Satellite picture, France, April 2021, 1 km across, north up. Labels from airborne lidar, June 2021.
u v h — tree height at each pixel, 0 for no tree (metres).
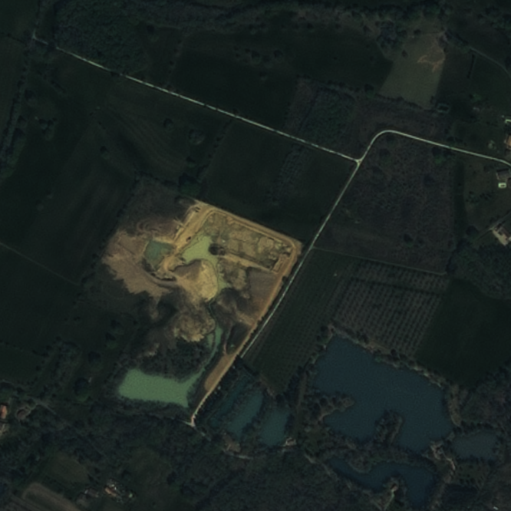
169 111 0
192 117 0
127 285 0
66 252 0
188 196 14
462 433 12
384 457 19
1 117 0
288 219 0
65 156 0
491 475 7
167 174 0
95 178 0
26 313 0
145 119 0
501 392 9
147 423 16
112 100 0
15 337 0
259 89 0
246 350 0
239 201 0
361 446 21
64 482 0
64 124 0
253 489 20
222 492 25
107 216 0
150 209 0
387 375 0
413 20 20
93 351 0
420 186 7
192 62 0
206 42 0
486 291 13
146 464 0
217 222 0
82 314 0
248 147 0
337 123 16
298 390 19
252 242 0
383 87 0
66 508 0
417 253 8
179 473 19
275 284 0
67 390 0
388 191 9
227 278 0
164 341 0
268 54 0
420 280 10
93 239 0
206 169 8
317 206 0
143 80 11
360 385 0
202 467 20
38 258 0
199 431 16
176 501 0
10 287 0
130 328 0
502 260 25
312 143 13
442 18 13
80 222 0
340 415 0
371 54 0
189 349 7
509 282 18
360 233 0
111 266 0
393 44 15
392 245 0
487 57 0
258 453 6
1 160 20
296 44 0
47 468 0
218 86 0
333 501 5
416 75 0
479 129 0
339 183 0
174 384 0
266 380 0
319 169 0
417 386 0
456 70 0
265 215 0
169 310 0
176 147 0
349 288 11
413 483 0
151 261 0
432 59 0
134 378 0
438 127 6
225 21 14
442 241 7
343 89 14
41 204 11
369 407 0
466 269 14
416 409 0
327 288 0
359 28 0
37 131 0
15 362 0
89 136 0
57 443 18
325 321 6
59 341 12
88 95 0
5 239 0
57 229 0
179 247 0
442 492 20
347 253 0
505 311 0
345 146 7
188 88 0
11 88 0
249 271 0
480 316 0
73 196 0
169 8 16
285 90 0
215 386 0
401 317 12
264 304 0
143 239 0
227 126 6
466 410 15
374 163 7
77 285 0
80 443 16
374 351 0
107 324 0
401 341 11
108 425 26
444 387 11
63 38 17
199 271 0
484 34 0
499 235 0
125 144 0
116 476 0
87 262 0
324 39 0
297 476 7
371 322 10
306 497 16
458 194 0
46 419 19
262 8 15
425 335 8
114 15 14
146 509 0
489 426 11
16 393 16
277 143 0
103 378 0
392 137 7
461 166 0
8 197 0
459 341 0
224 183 0
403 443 0
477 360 0
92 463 12
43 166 0
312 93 5
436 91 0
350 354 0
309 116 9
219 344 0
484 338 0
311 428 8
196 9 17
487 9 0
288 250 0
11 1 0
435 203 7
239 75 0
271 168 0
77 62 0
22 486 17
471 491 16
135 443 22
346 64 0
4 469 22
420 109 9
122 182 0
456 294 0
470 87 0
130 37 17
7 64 0
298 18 15
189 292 0
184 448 9
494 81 0
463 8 0
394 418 13
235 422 0
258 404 0
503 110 0
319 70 0
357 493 15
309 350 7
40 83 0
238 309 0
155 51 0
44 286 0
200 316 0
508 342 0
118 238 0
